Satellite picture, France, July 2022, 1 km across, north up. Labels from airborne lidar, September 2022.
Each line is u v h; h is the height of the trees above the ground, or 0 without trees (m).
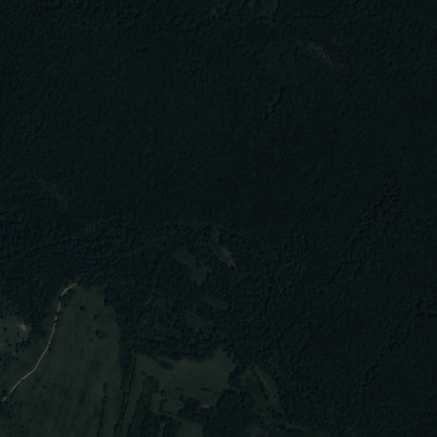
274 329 22
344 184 20
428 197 23
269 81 30
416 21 29
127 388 10
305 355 27
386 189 9
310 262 13
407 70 28
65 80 18
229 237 19
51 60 23
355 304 19
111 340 0
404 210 20
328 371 27
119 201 15
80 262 18
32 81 24
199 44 18
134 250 17
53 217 20
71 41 19
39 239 21
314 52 28
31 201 20
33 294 13
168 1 14
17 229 19
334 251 16
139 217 18
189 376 0
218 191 22
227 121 32
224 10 10
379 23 20
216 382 0
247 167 27
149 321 18
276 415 24
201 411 12
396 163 19
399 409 17
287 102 27
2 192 16
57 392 0
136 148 20
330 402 21
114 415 0
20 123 24
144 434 12
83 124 20
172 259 11
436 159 22
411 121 21
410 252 21
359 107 19
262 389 19
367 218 9
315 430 17
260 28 20
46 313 7
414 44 23
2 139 25
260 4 15
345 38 23
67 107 21
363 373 29
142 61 19
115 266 17
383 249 25
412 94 24
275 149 28
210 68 24
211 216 18
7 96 19
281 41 31
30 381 0
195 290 13
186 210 21
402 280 34
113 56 18
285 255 25
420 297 30
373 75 22
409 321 26
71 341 0
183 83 29
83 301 0
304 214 23
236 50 26
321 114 26
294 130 24
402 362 20
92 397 0
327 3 15
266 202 22
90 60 19
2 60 22
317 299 25
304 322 33
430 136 16
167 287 15
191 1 24
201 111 25
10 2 17
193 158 24
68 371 0
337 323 33
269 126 31
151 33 26
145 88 22
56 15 23
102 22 21
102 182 15
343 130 28
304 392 25
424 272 22
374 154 18
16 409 0
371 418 19
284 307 25
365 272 30
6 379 0
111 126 23
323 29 23
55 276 12
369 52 26
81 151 20
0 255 22
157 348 18
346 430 18
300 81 25
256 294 22
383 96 23
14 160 17
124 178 18
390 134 21
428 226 22
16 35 18
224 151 23
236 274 17
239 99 28
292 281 23
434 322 27
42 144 20
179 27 27
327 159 21
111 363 0
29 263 8
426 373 20
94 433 0
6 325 0
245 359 20
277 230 28
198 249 23
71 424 0
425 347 23
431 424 15
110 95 18
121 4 18
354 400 22
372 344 26
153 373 0
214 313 20
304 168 28
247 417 23
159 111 21
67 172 18
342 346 30
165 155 23
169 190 20
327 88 24
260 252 10
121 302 17
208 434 15
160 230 10
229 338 16
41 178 8
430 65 26
